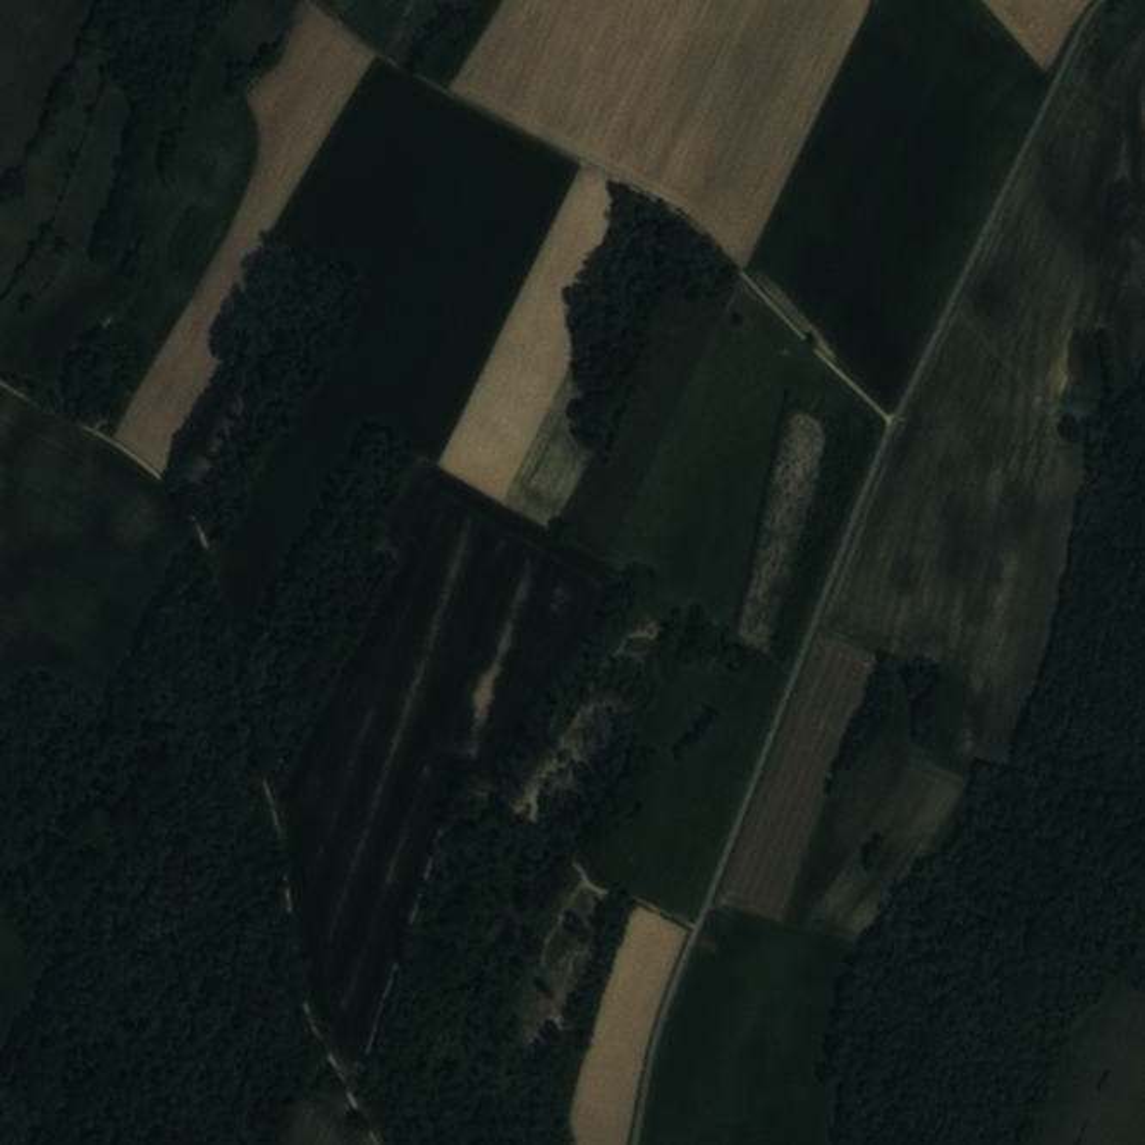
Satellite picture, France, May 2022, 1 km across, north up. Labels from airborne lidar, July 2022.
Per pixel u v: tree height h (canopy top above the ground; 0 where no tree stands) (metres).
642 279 23
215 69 0
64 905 27
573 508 0
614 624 21
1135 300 0
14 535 0
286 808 0
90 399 21
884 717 17
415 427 0
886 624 0
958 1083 20
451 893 15
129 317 0
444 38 16
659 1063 0
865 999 13
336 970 0
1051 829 17
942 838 0
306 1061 27
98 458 0
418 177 0
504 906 20
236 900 6
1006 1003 18
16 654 0
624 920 7
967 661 0
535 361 0
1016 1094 14
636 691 7
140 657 23
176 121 13
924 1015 19
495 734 0
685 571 0
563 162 0
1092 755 11
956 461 0
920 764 0
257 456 27
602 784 27
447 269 0
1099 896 19
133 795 26
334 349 23
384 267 0
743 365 0
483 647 0
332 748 0
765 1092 0
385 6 0
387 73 0
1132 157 0
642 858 0
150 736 29
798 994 0
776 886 0
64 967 23
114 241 20
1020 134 0
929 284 0
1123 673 8
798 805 0
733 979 0
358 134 0
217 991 27
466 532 0
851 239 0
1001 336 0
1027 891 24
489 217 0
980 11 0
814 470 0
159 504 0
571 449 0
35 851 14
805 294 0
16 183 17
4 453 0
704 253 14
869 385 0
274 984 26
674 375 0
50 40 0
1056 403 0
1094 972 15
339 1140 0
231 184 0
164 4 28
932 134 0
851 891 0
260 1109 27
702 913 0
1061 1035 15
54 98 16
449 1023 10
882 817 0
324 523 23
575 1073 0
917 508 0
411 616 0
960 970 22
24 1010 0
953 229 0
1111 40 0
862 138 0
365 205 0
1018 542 0
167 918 23
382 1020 9
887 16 0
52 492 0
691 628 23
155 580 0
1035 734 13
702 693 0
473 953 8
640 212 17
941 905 19
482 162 0
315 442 0
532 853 24
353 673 0
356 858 0
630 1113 0
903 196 0
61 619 0
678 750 12
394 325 0
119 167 18
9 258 0
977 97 0
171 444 0
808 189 0
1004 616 0
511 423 0
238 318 26
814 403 0
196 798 24
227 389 23
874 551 0
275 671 24
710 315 0
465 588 0
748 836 0
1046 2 0
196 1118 24
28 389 14
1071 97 0
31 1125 5
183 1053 22
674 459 0
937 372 0
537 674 0
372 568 23
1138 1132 0
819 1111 0
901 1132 17
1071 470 0
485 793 0
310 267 29
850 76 0
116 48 10
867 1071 20
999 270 0
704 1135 0
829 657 0
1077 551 13
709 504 0
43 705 20
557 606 0
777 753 0
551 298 0
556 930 0
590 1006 11
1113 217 0
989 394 0
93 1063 23
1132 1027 0
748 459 0
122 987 13
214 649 27
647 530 0
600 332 19
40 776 25
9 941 0
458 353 0
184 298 0
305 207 0
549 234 0
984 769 14
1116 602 9
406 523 0
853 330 0
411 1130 24
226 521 21
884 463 0
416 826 0
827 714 0
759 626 0
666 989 0
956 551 0
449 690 0
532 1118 27
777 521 0
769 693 0
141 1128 25
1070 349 0
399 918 0
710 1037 0
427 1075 11
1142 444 24
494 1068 28
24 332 0
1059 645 12
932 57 0
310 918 0
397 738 0
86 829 28
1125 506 12
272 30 0
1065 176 0
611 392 22
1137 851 26
